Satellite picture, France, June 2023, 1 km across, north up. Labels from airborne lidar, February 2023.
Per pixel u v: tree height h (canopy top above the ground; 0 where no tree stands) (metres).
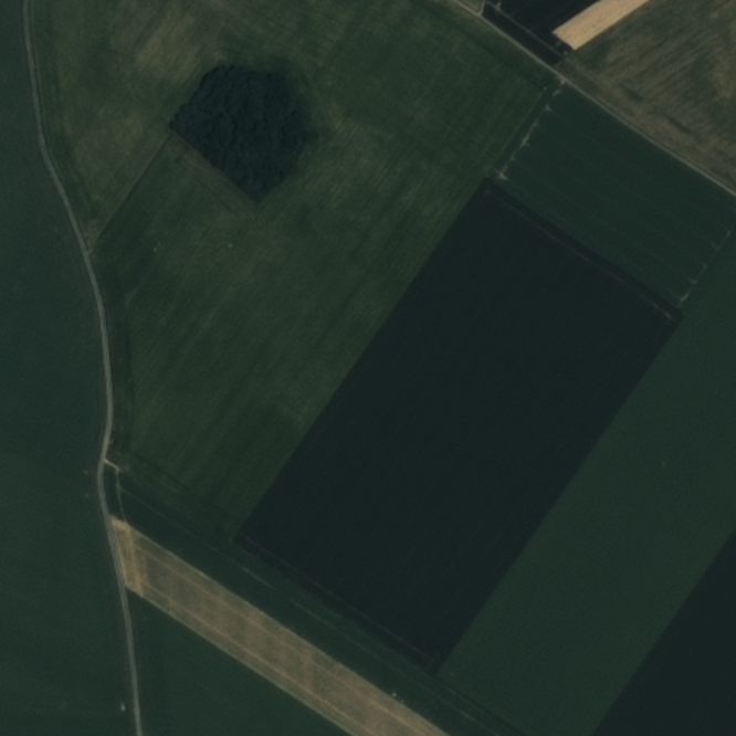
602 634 0
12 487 0
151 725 0
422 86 0
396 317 0
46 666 0
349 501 0
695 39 0
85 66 0
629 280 0
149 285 0
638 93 0
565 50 0
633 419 0
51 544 0
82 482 0
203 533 0
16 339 0
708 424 0
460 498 0
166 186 0
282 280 0
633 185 0
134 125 0
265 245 0
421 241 0
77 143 0
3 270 0
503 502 0
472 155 0
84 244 0
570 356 0
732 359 0
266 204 0
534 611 0
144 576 0
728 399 0
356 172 0
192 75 0
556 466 0
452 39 0
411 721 0
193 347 0
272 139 17
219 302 0
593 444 0
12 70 0
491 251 0
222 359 0
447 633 0
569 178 0
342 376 0
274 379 0
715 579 0
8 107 0
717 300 0
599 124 0
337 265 0
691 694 0
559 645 0
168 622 0
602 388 0
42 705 0
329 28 0
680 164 0
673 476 0
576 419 0
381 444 0
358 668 0
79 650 0
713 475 0
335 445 0
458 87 0
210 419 0
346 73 0
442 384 0
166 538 0
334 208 0
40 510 0
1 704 0
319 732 0
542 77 0
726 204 0
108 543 0
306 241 0
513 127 0
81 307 0
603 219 0
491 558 0
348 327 0
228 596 0
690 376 0
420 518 0
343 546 0
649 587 0
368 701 0
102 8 0
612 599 0
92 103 0
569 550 0
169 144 0
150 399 0
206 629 0
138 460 0
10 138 0
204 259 0
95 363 0
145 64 0
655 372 0
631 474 0
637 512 0
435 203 0
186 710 0
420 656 0
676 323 0
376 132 0
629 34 0
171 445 0
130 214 0
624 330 0
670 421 0
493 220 0
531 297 0
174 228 0
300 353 0
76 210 0
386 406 0
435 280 0
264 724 0
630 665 0
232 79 19
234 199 0
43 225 0
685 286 0
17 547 0
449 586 0
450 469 0
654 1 0
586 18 0
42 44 0
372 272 0
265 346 0
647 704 0
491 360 0
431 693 0
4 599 0
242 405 0
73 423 0
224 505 0
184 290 0
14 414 0
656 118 0
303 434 0
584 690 0
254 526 0
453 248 0
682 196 0
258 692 0
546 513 0
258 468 0
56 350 0
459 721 0
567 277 0
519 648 0
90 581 0
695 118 0
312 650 0
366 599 0
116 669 0
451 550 0
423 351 0
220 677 0
